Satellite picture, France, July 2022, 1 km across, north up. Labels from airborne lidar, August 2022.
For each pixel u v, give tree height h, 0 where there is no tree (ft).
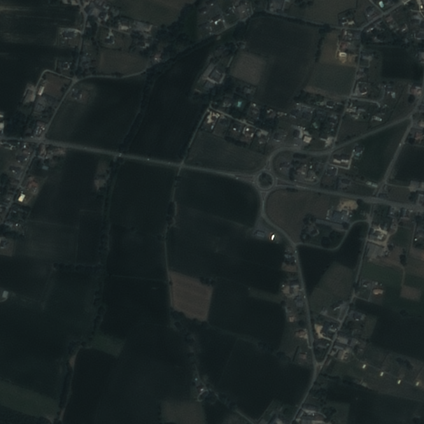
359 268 0
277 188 0
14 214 24
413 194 39
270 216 0
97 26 22
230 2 0
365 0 0
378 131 0
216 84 28
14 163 0
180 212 0
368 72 34
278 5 0
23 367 0
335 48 0
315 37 0
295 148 0
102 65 0
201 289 0
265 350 51
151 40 44
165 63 51
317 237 0
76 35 0
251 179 0
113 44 0
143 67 0
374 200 0
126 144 53
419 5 0
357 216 0
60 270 34
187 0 0
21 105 27
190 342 67
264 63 0
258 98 0
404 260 38
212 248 0
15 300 0
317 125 0
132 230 33
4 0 0
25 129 29
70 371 51
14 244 0
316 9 0
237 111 53
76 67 31
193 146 0
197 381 0
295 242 0
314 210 0
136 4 0
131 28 0
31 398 0
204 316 0
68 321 0
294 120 0
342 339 0
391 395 0
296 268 0
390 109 0
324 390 54
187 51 42
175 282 0
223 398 72
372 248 0
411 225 0
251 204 0
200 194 0
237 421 0
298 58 0
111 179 40
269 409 0
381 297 0
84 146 0
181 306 0
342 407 0
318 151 0
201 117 40
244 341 0
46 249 0
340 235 24
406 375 0
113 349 0
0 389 0
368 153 0
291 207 0
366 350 0
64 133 0
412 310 0
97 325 41
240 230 0
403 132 0
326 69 0
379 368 0
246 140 0
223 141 0
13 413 20
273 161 0
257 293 0
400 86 0
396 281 0
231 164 0
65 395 48
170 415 0
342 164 0
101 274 66
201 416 0
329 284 0
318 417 0
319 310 0
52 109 33
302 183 0
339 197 0
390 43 29
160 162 0
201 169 0
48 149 28
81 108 0
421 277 0
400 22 0
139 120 47
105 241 40
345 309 0
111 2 0
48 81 0
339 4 0
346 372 0
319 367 0
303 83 0
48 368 0
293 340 0
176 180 38
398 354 0
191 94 68
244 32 45
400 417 0
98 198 37
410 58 0
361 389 39
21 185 0
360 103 0
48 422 34
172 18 0
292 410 0
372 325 0
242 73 0
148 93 45
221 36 0
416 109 0
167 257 0
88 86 0
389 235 0
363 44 31
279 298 0
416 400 0
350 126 0
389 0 0
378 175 0
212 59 23
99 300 35
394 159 0
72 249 0
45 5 0
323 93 0
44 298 0
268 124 52
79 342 22
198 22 0
